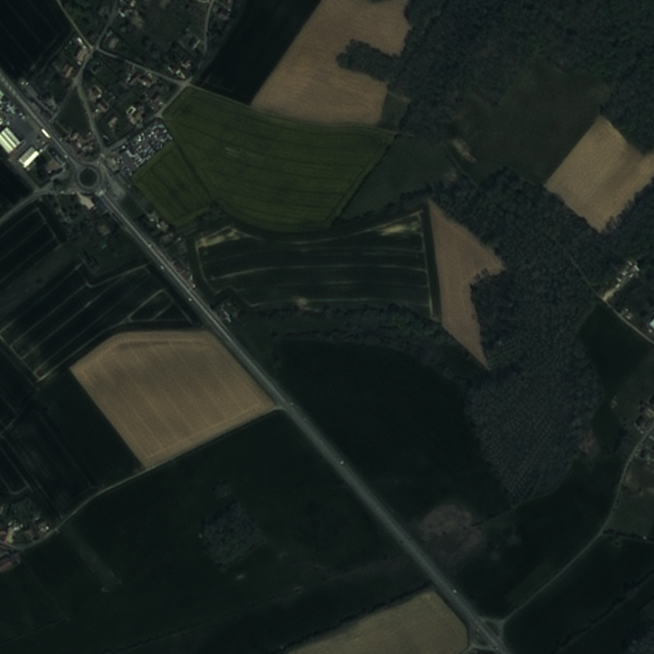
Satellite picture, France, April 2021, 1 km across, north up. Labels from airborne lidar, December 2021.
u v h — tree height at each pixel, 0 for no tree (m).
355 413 0
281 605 0
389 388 0
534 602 0
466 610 0
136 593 0
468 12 24
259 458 0
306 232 0
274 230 0
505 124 0
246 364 0
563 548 0
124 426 0
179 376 0
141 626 0
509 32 26
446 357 0
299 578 0
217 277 0
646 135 27
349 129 0
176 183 0
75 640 0
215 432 0
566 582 0
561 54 13
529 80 0
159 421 0
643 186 0
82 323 0
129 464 0
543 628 0
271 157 0
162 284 0
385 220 0
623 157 0
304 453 0
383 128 0
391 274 0
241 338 0
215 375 0
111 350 0
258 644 0
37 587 0
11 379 0
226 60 0
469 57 22
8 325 0
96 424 0
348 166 0
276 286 0
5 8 0
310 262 0
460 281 0
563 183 0
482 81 22
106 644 0
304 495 0
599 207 0
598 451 0
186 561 0
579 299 32
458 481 0
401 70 11
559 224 29
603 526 0
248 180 0
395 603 12
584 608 0
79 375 0
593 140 0
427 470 0
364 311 9
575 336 31
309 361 0
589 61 20
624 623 0
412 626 0
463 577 0
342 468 0
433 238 0
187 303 0
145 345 0
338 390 0
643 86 22
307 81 0
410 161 0
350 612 0
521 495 23
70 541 0
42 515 6
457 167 8
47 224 0
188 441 0
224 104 0
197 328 0
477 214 28
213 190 0
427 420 0
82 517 0
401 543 0
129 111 0
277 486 0
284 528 0
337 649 0
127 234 0
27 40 0
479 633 0
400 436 0
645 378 0
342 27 0
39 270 0
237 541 20
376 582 0
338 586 0
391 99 0
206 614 0
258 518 0
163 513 0
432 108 21
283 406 0
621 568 0
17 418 0
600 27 23
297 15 0
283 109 0
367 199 0
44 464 0
